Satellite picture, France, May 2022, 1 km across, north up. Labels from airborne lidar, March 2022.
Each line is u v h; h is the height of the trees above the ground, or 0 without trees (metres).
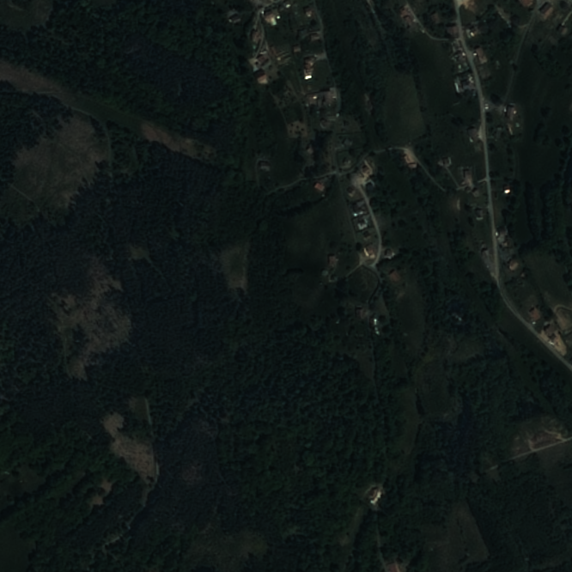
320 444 26
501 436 21
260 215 10
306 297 0
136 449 0
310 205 17
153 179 23
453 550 0
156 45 27
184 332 29
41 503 22
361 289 0
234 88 27
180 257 40
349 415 27
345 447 25
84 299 31
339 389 17
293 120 0
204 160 8
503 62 0
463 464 33
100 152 0
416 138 0
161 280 28
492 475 0
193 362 29
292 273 13
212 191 37
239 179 26
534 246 18
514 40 18
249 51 12
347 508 18
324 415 16
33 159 0
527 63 0
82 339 31
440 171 18
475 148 0
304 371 15
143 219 23
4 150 17
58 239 28
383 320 12
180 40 29
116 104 20
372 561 14
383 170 12
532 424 0
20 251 22
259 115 16
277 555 20
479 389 7
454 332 12
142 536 20
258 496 21
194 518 25
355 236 0
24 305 23
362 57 17
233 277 0
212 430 22
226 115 23
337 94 0
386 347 15
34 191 0
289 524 14
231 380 10
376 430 23
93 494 19
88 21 13
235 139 16
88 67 23
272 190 13
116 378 19
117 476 12
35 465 15
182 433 23
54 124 11
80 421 19
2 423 18
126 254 24
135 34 28
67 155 0
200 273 35
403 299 0
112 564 20
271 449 20
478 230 0
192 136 23
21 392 16
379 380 11
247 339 10
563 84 0
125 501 18
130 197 27
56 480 23
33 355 28
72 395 11
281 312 10
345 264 0
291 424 21
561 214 16
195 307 34
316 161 17
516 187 18
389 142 9
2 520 19
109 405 17
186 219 38
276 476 28
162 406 15
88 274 26
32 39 20
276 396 26
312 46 0
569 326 0
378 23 17
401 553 22
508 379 18
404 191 0
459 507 0
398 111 0
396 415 24
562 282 0
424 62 0
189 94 26
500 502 12
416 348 0
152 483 16
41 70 19
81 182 0
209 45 18
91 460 22
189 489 22
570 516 13
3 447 21
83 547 19
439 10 7
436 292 21
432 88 0
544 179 0
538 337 0
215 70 24
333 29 6
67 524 10
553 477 0
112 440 18
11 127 11
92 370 23
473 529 0
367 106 0
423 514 12
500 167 0
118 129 26
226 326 14
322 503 24
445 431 30
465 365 10
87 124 0
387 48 17
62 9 19
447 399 0
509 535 12
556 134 0
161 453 25
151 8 32
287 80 0
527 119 0
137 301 31
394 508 25
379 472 19
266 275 8
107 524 17
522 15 0
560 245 24
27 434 18
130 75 24
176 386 11
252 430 14
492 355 10
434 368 0
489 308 19
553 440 0
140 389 18
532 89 0
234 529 16
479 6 0
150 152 15
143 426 14
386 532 14
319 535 25
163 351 32
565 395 22
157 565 20
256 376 9
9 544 0
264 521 19
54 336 28
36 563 16
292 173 0
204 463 21
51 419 19
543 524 8
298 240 0
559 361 0
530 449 0
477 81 0
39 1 0
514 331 0
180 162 23
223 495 24
